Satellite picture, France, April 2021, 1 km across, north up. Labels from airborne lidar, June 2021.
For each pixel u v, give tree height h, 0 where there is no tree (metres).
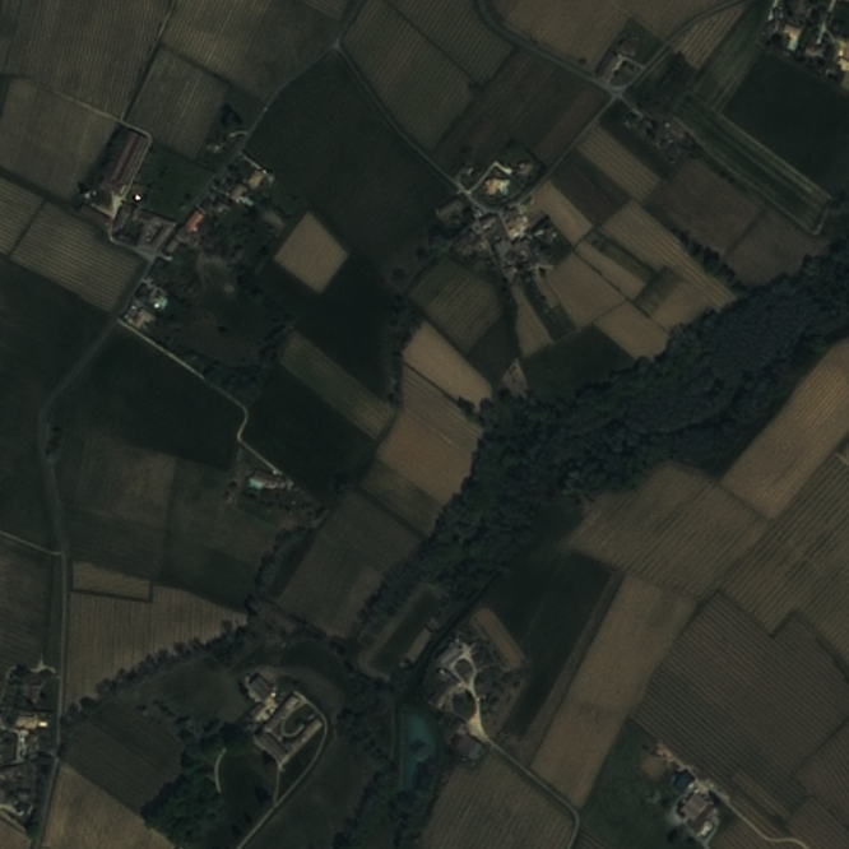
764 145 0
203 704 0
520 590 0
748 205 0
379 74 0
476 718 0
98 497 0
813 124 0
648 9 0
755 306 22
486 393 0
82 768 0
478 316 0
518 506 31
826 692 0
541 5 0
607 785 0
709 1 0
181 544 0
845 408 0
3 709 6
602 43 0
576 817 0
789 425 0
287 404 0
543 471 22
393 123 0
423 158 0
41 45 0
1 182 0
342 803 0
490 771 0
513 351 0
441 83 0
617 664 0
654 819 0
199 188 0
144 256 0
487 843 0
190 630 0
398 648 0
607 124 0
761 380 22
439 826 0
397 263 0
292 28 0
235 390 16
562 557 0
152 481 0
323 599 0
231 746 21
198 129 0
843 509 0
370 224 0
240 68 0
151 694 0
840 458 0
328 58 0
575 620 0
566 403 12
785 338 25
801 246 0
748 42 0
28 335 0
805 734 0
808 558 0
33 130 0
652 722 0
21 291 0
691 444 21
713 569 0
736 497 0
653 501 0
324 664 0
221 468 0
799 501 0
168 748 0
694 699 0
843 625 0
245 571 0
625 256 0
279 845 0
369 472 0
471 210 9
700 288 0
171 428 0
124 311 0
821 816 0
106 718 0
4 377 0
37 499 0
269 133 0
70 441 0
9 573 0
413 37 0
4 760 0
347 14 0
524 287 0
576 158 0
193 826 19
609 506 0
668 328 0
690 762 0
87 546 0
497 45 0
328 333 0
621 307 0
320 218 0
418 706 0
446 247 22
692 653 0
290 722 0
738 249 0
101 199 0
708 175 0
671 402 23
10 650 0
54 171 0
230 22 0
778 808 0
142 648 0
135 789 0
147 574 0
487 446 17
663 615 0
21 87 0
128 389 0
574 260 0
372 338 0
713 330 21
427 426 0
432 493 0
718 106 0
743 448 0
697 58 0
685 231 0
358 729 14
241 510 0
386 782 16
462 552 16
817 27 8
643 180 0
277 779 0
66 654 0
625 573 0
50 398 0
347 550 0
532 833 0
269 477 0
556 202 0
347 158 0
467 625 0
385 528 0
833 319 21
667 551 0
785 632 0
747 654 0
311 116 0
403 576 19
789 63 0
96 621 0
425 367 0
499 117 0
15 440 0
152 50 0
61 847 0
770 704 0
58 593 0
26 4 0
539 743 0
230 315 0
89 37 0
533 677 0
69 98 0
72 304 0
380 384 0
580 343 0
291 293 0
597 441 16
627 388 16
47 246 0
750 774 0
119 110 0
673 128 0
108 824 0
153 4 0
